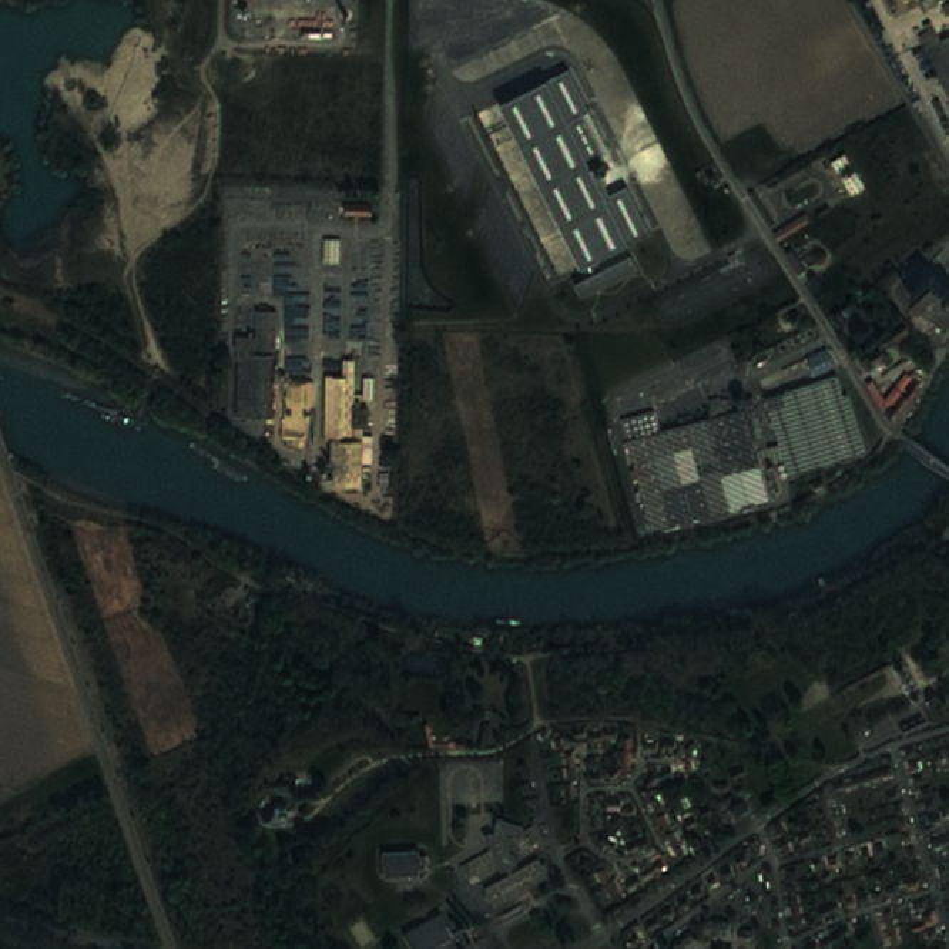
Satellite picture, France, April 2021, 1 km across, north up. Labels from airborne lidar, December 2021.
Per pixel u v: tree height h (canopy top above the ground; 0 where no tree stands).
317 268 0
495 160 0
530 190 0
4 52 0
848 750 0
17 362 0
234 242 0
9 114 0
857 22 0
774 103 0
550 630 6
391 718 25
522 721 7
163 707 0
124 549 0
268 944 7
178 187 0
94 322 9
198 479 0
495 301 0
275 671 26
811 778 0
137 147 0
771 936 0
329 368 0
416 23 0
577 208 0
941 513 15
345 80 0
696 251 0
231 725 17
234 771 17
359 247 0
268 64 0
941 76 0
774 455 0
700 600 0
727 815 0
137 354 11
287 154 0
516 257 0
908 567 34
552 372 0
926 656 23
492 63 0
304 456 0
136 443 0
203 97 0
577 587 0
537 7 0
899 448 11
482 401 0
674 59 0
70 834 19
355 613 25
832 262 0
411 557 0
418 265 0
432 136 0
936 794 6
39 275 0
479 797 0
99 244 0
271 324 0
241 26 0
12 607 0
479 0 0
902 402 0
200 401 6
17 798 0
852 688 22
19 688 0
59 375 0
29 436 0
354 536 0
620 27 0
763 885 0
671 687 22
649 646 26
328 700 29
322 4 0
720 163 0
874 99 0
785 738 0
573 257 0
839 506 0
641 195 0
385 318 0
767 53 0
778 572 0
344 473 0
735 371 0
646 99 0
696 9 0
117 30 0
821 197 0
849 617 33
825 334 0
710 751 15
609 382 0
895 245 0
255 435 0
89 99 6
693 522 0
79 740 0
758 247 0
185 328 13
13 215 0
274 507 0
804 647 30
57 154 10
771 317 20
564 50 0
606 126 0
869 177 0
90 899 32
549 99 0
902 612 26
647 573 0
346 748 15
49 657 0
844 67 0
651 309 0
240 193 0
